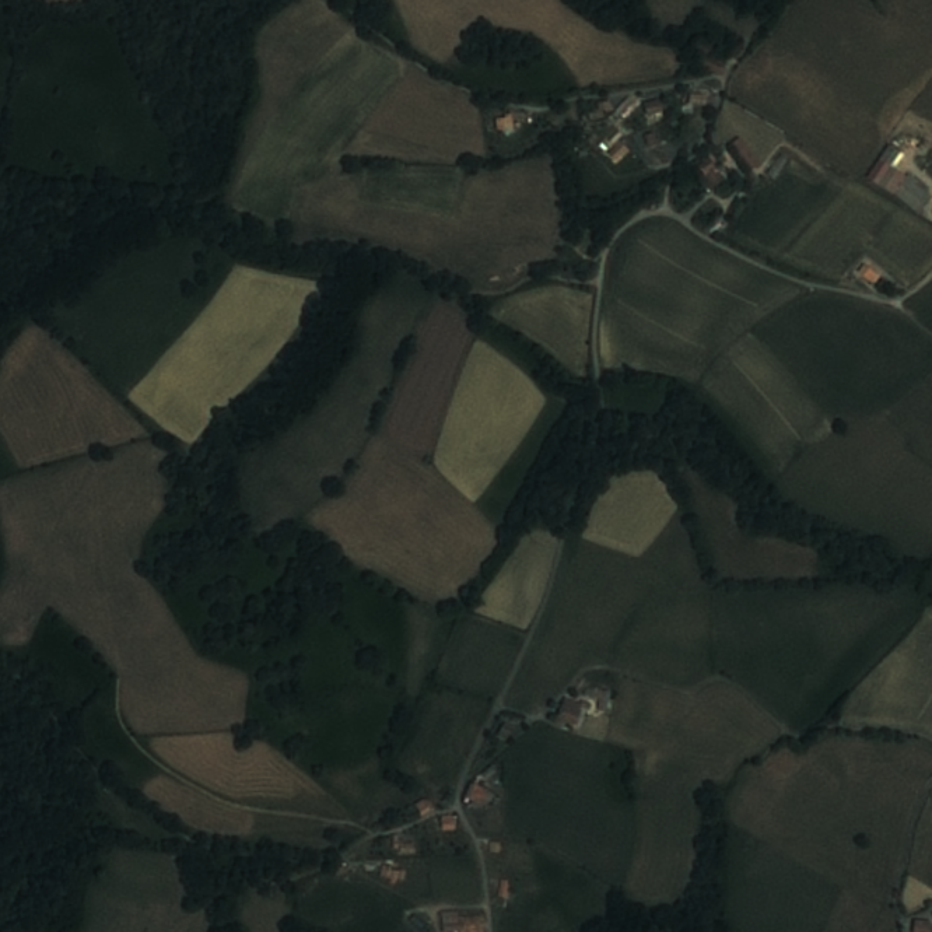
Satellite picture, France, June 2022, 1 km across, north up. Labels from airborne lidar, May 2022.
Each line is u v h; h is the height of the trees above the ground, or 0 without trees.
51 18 12
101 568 0
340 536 0
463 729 0
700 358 0
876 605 0
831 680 0
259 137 0
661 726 0
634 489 0
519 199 0
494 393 0
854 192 0
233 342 0
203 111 15
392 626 0
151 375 0
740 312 0
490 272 0
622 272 0
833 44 0
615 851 0
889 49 0
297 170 0
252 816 0
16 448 0
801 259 0
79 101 0
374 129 0
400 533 0
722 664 0
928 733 0
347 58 0
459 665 0
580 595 0
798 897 0
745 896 0
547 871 0
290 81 0
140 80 9
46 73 0
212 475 20
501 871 0
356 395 0
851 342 0
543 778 0
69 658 0
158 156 0
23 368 0
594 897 0
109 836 18
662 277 0
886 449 0
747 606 0
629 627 0
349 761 0
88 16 14
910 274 0
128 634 0
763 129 0
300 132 0
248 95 10
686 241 0
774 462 0
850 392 0
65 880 24
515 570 0
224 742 0
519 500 14
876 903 0
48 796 17
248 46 13
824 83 0
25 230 18
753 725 0
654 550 0
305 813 0
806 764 0
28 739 24
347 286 32
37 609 0
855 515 0
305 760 0
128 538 0
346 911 0
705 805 17
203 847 11
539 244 0
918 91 0
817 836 0
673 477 21
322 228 0
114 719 0
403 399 0
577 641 0
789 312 0
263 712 0
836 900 0
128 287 0
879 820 0
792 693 0
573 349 0
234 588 14
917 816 0
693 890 18
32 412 0
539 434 0
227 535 11
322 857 9
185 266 0
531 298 0
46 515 0
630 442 20
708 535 0
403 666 0
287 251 18
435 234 0
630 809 0
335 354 27
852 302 0
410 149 0
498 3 0
